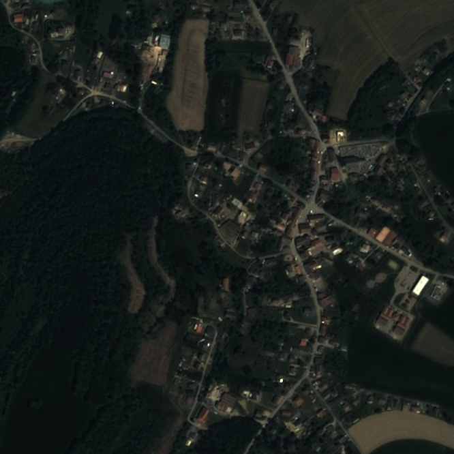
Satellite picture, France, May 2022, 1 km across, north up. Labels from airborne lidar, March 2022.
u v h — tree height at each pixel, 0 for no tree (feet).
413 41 0
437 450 0
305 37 0
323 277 0
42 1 0
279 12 0
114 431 34
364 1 0
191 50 0
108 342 92
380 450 0
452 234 0
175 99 0
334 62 0
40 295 57
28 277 82
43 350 0
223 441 65
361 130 19
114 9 0
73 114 0
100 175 61
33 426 0
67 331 64
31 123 0
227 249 0
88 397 63
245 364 0
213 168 0
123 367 109
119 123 92
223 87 0
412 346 0
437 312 0
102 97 0
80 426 0
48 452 0
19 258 87
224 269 31
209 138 0
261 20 0
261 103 0
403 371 0
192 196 0
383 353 0
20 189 20
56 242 34
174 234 0
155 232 0
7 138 0
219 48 0
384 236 0
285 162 37
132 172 64
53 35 0
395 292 0
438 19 0
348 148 0
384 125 0
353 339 0
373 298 0
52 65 55
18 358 42
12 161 66
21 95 18
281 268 0
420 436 0
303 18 0
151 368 0
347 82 0
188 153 0
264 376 0
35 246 40
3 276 81
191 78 0
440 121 0
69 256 55
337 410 0
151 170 49
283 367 0
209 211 0
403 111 27
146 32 69
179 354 0
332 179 0
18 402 0
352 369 0
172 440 0
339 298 0
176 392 0
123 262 0
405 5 0
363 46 0
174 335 0
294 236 0
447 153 0
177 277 45
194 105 0
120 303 102
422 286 0
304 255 0
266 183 38
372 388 0
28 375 0
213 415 0
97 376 63
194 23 0
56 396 0
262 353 0
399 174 26
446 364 0
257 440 54
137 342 100
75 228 27
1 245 62
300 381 0
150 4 0
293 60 0
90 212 30
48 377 0
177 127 0
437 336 0
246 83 0
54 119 0
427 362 0
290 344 0
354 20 0
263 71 83
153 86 0
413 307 0
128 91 0
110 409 79
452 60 55
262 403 0
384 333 0
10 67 52
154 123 0
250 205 38
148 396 0
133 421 0
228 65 0
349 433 0
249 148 0
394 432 0
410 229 51
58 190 72
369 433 0
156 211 75
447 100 0
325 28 0
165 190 71
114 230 44
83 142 51
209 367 0
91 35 60
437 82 0
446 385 0
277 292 31
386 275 0
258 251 67
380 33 0
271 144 24
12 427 0
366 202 0
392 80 20
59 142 41
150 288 53
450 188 0
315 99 52
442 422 0
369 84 42
